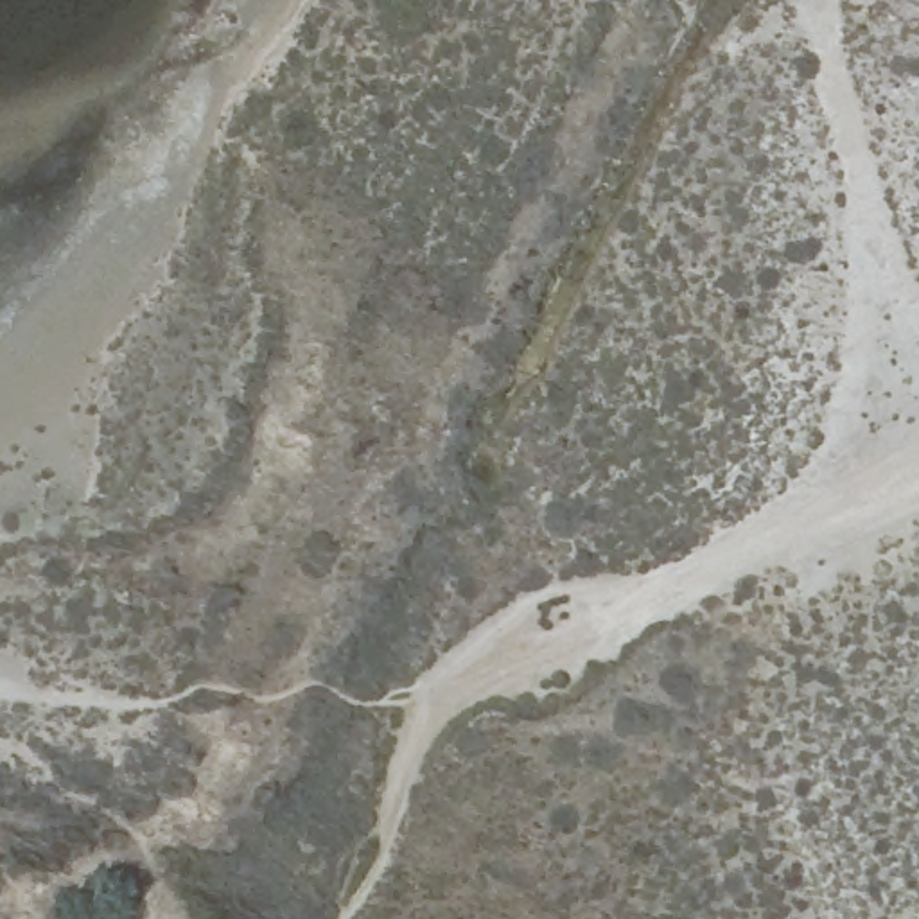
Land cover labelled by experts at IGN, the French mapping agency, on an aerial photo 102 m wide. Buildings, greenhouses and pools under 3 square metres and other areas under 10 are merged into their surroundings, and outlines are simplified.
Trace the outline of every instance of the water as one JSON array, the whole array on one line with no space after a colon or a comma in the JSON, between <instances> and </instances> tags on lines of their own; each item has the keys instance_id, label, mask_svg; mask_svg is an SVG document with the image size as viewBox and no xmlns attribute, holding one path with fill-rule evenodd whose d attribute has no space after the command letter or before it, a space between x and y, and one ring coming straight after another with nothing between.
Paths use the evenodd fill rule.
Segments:
<instances>
[{"instance_id":1,"label":"water","mask_svg":"<svg viewBox=\"0 0 919 919\"><path fill-rule=\"evenodd\" d=\"M126 61L144 57L154 43L158 22L179 0L0 0L0 104L29 90L50 86L57 79L83 79L90 72L111 68L118 72Z\"/></svg>"}]
</instances>

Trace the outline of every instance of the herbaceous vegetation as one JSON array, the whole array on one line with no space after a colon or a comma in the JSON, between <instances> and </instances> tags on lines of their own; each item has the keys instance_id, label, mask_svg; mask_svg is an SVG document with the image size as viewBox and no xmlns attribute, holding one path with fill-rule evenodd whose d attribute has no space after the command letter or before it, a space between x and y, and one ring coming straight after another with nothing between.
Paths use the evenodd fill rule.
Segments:
<instances>
[{"instance_id":1,"label":"herbaceous vegetation","mask_svg":"<svg viewBox=\"0 0 919 919\"><path fill-rule=\"evenodd\" d=\"M883 205L901 241L905 266L919 284L919 0L836 0L844 14L847 79L862 104L862 126L869 129L869 154L880 176Z\"/></svg>"},{"instance_id":2,"label":"herbaceous vegetation","mask_svg":"<svg viewBox=\"0 0 919 919\"><path fill-rule=\"evenodd\" d=\"M43 919L144 919L151 883L169 883L183 901L187 919L919 919L919 517L894 521L883 531L876 546L872 582L862 582L862 574L844 571L836 574L833 589L822 589L811 600L804 600L797 589L797 574L790 567L761 567L757 574L740 578L732 592L704 596L689 614L646 625L610 661L596 650L596 628L585 614L592 607L610 607L625 592L617 585L621 574L650 574L664 564L675 564L711 538L714 524L736 524L747 513L761 510L768 499L786 495L793 477L811 463L815 449L826 438L822 424L833 388L840 384L840 348L847 323L847 190L826 111L818 104L818 57L811 54L797 22L801 0L298 0L305 7L305 22L294 36L294 47L280 61L273 86L251 90L248 101L233 111L226 144L208 147L205 154L205 176L187 212L187 248L172 258L172 280L183 280L183 291L179 305L169 309L169 327L158 334L140 334L133 355L126 355L126 363L111 363L111 395L118 402L118 420L101 424L101 477L93 510L111 510L122 521L122 531L86 538L79 535L79 521L72 521L61 535L4 542L7 528L0 528L0 646L18 650L32 661L29 682L36 686L54 686L57 678L86 678L97 689L118 696L151 696L162 707L47 711L32 704L0 700L0 890L7 880L18 880L25 872L61 872L75 858L97 847L111 847L118 862L101 865L79 887L57 890L54 908ZM230 768L226 783L208 797L223 808L223 818L179 822L172 826L169 847L151 847L136 854L136 844L129 836L136 822L151 818L162 808L162 801L190 797L197 790L205 754L219 743L251 747L248 768Z\"/></svg>"}]
</instances>

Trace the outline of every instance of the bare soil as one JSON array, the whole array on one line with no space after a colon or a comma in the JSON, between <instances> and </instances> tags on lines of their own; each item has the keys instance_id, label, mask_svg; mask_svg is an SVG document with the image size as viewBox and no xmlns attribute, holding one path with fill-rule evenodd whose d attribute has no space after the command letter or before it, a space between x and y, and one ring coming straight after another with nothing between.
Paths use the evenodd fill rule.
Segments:
<instances>
[{"instance_id":1,"label":"bare soil","mask_svg":"<svg viewBox=\"0 0 919 919\"><path fill-rule=\"evenodd\" d=\"M862 582L872 582L876 546L883 531L894 521L919 517L919 284L905 266L901 241L883 205L880 176L869 154L869 129L862 126L862 104L847 79L844 14L836 0L801 0L797 22L811 54L818 57L818 104L826 111L847 190L847 323L840 348L840 384L833 388L822 424L826 438L815 449L811 463L793 477L786 495L768 499L761 510L747 513L736 524L714 524L711 538L675 564L664 564L650 574L621 574L617 585L625 592L610 607L592 607L585 614L596 628L596 650L610 661L646 625L689 614L704 596L732 592L740 578L757 574L761 567L790 567L797 574L797 589L804 600L811 600L822 589L833 589L836 574L844 571L862 574Z\"/></svg>"},{"instance_id":2,"label":"bare soil","mask_svg":"<svg viewBox=\"0 0 919 919\"><path fill-rule=\"evenodd\" d=\"M233 111L248 101L251 90L273 86L280 61L294 47L294 36L305 22L305 7L298 0L179 0L158 22L154 43L144 57L126 61L118 72L111 68L90 72L83 79L57 79L50 86L29 90L0 104L0 528L7 528L4 542L61 535L72 521L79 521L79 535L86 538L122 531L122 521L111 510L93 510L101 477L101 424L118 420L118 402L111 395L111 363L126 363L126 355L133 355L140 334L158 334L169 327L169 309L179 305L183 291L183 280L172 280L172 258L187 248L187 212L205 176L205 154L208 147L226 144Z\"/></svg>"},{"instance_id":3,"label":"bare soil","mask_svg":"<svg viewBox=\"0 0 919 919\"><path fill-rule=\"evenodd\" d=\"M169 883L151 883L144 919L187 919L183 901Z\"/></svg>"},{"instance_id":4,"label":"bare soil","mask_svg":"<svg viewBox=\"0 0 919 919\"><path fill-rule=\"evenodd\" d=\"M18 880L7 880L0 890L0 919L43 919L54 908L57 890L79 887L101 865L118 862L111 847L97 847L75 858L61 872L25 872Z\"/></svg>"},{"instance_id":5,"label":"bare soil","mask_svg":"<svg viewBox=\"0 0 919 919\"><path fill-rule=\"evenodd\" d=\"M251 747L219 743L205 754L197 790L190 797L162 801L162 808L151 818L136 822L129 836L136 844L136 854L151 847L169 847L172 826L179 822L223 818L223 808L208 797L226 783L230 768L248 768Z\"/></svg>"},{"instance_id":6,"label":"bare soil","mask_svg":"<svg viewBox=\"0 0 919 919\"><path fill-rule=\"evenodd\" d=\"M32 661L18 650L0 646L0 700L32 704L47 711L162 707L151 696L118 696L97 689L86 678L57 678L54 686L36 686L29 682Z\"/></svg>"}]
</instances>

